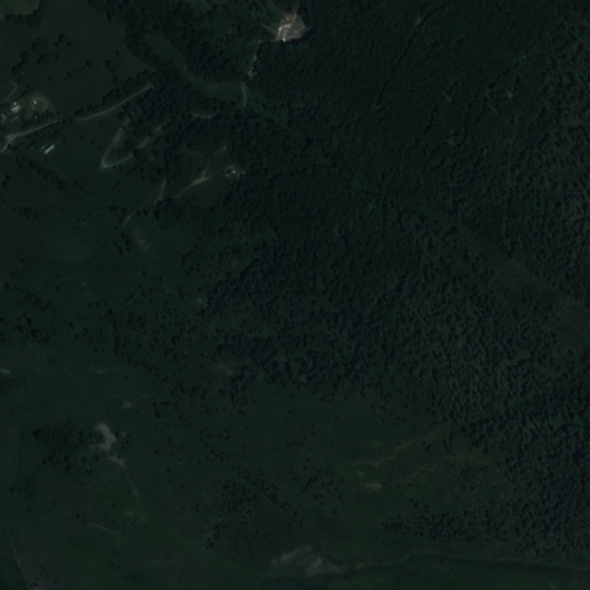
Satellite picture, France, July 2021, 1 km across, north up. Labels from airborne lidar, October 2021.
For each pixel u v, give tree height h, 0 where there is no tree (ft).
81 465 0
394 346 65
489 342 81
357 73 71
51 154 0
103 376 0
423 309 88
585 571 0
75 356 0
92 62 49
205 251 0
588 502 61
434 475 0
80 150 0
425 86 56
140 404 0
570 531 52
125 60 0
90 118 0
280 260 56
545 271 67
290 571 0
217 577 0
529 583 0
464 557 0
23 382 0
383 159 57
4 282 0
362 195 64
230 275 39
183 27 34
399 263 55
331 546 0
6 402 0
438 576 0
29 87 33
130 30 46
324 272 65
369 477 0
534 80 57
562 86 54
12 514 0
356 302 85
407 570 0
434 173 60
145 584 0
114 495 0
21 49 0
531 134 39
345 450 0
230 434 39
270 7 25
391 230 59
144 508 0
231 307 19
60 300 0
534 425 36
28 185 0
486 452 30
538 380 74
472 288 34
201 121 59
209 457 20
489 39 60
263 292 39
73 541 0
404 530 34
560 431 65
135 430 0
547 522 36
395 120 69
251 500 38
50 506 0
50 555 0
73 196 0
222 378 0
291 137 52
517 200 36
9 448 0
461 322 92
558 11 33
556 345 92
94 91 0
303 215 70
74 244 0
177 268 0
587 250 58
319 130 41
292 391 0
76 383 0
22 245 0
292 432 0
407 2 63
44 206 0
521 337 93
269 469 0
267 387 0
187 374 0
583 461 84
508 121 54
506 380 51
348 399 23
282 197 64
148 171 19
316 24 64
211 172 0
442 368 70
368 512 0
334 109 50
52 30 0
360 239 69
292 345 40
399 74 67
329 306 0
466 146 55
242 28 44
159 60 54
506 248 62
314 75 69
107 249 0
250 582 0
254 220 33
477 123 70
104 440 24
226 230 40
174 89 70
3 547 0
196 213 29
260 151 42
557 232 50
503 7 57
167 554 0
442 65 63
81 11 0
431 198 75
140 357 0
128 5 63
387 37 59
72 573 0
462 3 50
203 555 0
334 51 58
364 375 40
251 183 64
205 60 44
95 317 0
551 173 49
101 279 0
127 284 0
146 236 0
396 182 52
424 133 55
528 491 30
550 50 38
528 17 47
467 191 67
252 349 33
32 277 0
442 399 67
